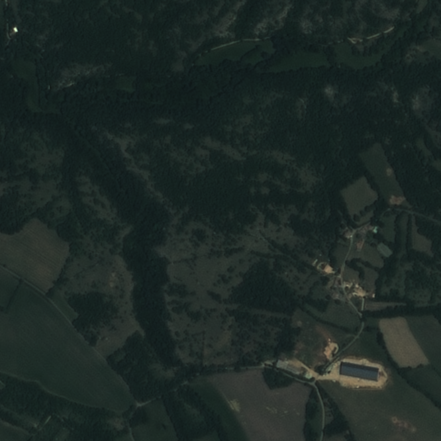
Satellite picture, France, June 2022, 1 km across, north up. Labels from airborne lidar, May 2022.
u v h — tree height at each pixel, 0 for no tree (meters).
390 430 0
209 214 10
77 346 0
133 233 14
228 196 11
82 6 11
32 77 0
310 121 7
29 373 0
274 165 6
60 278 10
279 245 8
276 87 11
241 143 6
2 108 13
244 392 0
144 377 11
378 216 10
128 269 7
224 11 7
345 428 10
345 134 10
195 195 9
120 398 0
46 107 11
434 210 11
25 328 0
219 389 0
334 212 12
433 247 8
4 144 10
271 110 7
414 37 9
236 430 0
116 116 9
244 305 7
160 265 12
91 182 5
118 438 9
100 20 13
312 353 0
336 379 0
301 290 9
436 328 0
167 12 11
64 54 10
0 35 21
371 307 0
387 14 0
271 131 9
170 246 0
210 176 9
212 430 10
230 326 7
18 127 6
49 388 0
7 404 8
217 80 17
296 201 10
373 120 9
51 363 0
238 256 0
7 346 0
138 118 9
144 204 17
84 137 15
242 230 11
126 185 14
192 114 13
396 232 11
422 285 7
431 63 8
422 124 5
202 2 10
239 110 7
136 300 10
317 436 12
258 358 9
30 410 8
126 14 13
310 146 10
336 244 7
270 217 9
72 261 6
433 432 0
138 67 10
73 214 9
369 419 0
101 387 0
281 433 0
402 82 10
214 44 10
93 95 14
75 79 7
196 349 0
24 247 0
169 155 8
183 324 0
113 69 8
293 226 11
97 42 12
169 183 10
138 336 6
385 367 0
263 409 0
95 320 8
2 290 0
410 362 0
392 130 7
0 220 13
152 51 6
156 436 0
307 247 8
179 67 0
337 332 0
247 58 10
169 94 9
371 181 14
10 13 11
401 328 0
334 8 10
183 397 10
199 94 14
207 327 0
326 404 10
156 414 0
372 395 0
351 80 11
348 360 0
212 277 0
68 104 18
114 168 11
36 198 0
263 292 13
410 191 11
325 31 9
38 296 0
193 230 7
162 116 9
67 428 11
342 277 0
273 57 13
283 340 13
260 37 9
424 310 11
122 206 15
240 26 9
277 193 10
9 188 9
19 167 8
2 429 0
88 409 12
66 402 8
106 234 9
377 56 0
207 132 8
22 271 0
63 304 0
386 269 8
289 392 0
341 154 11
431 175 11
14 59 13
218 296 10
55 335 0
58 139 10
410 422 0
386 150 9
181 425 14
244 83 14
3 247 0
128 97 17
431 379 0
